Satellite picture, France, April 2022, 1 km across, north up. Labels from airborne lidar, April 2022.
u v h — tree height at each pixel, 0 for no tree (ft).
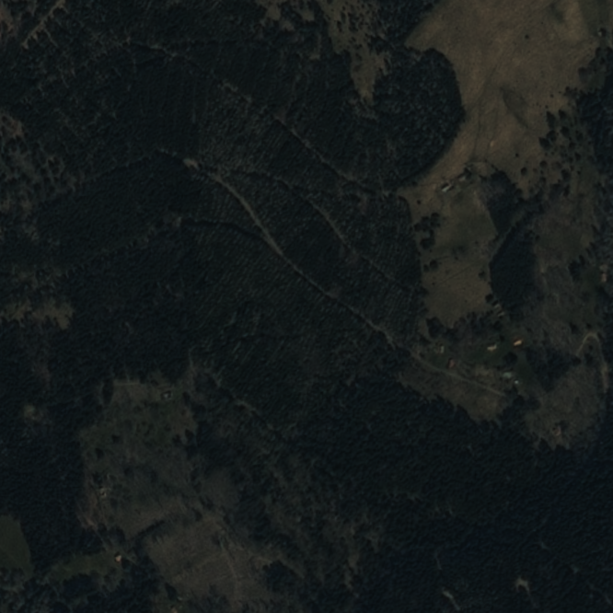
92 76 69
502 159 0
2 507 75
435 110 76
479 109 0
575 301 68
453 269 0
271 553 33
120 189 96
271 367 41
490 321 46
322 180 53
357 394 93
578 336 79
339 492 71
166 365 84
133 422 52
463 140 0
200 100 57
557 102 0
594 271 0
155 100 83
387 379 80
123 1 54
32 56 53
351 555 18
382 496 53
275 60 65
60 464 91
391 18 58
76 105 59
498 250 36
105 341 89
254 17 23
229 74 58
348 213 44
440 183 0
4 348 61
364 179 39
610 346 54
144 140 84
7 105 58
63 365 93
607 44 0
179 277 91
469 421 94
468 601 74
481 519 93
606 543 54
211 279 64
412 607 70
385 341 75
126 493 37
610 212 75
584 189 0
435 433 100
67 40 59
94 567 0
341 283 59
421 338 56
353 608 85
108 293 81
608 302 90
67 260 96
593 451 56
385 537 54
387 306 56
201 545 0
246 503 78
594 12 0
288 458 51
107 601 78
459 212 0
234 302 58
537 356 80
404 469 94
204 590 0
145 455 96
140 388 0
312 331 43
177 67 73
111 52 46
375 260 54
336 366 35
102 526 67
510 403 48
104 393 47
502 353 0
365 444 87
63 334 96
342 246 27
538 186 32
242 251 60
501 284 85
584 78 59
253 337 50
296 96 55
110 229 82
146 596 103
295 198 60
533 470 99
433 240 23
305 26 69
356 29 26
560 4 0
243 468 66
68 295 85
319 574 40
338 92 63
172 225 61
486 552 64
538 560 61
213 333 53
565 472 86
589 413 71
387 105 64
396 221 47
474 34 0
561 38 0
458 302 0
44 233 70
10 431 76
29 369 89
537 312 68
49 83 40
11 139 41
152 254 83
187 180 77
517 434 91
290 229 57
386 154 71
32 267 102
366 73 0
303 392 39
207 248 64
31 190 41
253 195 54
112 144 82
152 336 87
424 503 103
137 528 0
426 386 28
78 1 64
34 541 78
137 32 44
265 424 62
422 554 35
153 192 96
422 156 73
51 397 71
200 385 73
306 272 50
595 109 79
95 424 64
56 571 40
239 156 57
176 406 26
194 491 87
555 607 60
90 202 84
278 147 48
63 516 74
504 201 73
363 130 69
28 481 74
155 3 43
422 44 0
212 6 41
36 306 105
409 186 34
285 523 52
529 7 0
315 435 77
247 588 0
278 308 46
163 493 64
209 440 102
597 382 54
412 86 72
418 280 47
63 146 66
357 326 45
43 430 91
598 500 80
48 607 120
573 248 0
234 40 34
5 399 73
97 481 70
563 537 63
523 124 0
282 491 28
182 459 72
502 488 86
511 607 64
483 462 90
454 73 41
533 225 74
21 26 59
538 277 63
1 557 0
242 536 92
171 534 75
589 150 26
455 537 81
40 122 67
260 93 61
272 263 60
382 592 79
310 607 79
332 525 22
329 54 50
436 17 0
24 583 54
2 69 53
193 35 50
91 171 85
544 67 0
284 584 70
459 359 47
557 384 59
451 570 55
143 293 75
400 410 99
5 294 99
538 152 0
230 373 60
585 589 64
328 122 54
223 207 61
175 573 0
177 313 86
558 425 35
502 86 0
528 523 86
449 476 85
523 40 0
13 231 73
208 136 55
